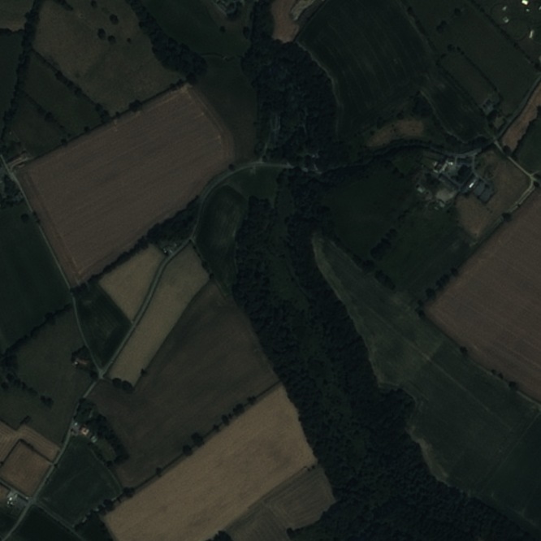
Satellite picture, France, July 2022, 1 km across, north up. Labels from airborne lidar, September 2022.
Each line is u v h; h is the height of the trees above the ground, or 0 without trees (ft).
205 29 0
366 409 71
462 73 0
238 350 0
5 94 0
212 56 0
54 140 0
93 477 0
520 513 0
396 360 0
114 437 46
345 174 70
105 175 0
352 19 0
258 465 0
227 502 0
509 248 0
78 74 0
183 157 0
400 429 69
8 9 0
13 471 0
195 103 0
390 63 0
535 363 0
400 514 113
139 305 0
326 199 0
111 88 0
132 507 0
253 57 63
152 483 0
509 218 47
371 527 58
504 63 0
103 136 0
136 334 0
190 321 0
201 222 0
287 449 0
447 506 96
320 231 27
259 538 0
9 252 0
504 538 67
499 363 0
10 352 44
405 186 0
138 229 0
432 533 110
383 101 0
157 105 0
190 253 0
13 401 0
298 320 25
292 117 125
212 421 0
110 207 0
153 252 0
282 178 42
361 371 61
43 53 0
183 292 0
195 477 0
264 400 0
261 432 0
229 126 0
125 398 0
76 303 0
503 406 0
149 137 0
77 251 0
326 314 71
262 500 0
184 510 0
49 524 0
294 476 0
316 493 0
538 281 0
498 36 0
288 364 72
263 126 27
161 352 0
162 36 79
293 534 60
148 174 0
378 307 0
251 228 77
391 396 45
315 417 55
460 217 0
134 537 0
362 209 0
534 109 0
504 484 0
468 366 0
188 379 0
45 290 0
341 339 56
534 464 0
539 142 0
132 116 0
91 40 0
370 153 29
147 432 0
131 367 0
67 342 0
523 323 0
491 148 22
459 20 0
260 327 70
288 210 0
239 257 45
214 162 0
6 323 0
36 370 0
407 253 0
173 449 0
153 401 0
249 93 0
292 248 82
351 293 0
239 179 0
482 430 0
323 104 83
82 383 0
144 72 0
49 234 0
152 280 0
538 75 0
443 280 36
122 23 0
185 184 0
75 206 0
